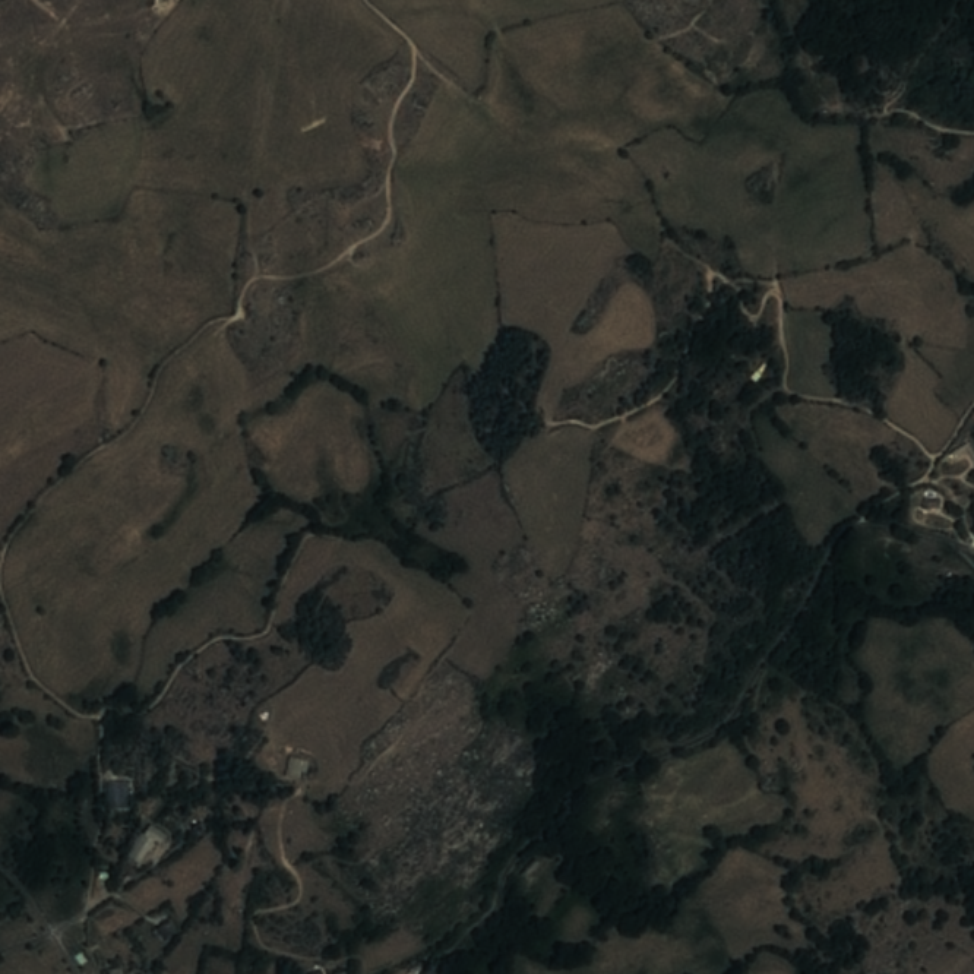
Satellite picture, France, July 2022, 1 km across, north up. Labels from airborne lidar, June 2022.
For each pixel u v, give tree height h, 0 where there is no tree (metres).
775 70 0
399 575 0
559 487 0
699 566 0
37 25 0
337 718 0
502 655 0
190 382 0
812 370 0
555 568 0
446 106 0
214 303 0
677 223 0
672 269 0
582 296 0
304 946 0
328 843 0
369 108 0
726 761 0
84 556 0
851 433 0
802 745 0
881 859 0
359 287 0
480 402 13
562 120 0
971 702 0
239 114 0
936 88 16
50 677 0
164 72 0
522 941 25
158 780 9
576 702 10
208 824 11
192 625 0
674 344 9
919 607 10
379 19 0
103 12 0
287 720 0
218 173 0
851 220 0
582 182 0
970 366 0
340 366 0
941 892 11
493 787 0
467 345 0
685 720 8
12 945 0
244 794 21
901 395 0
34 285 0
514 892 19
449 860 0
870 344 14
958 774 0
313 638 8
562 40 0
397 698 0
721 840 19
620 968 0
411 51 0
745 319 10
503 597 0
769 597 14
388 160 0
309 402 0
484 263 0
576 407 0
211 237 0
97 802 9
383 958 0
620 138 0
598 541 0
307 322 0
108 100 0
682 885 15
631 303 0
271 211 0
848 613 15
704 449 10
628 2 0
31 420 0
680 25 0
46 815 8
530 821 16
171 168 0
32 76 0
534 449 0
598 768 22
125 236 0
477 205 0
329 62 0
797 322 0
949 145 11
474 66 0
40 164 0
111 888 11
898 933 0
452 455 0
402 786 0
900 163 8
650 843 12
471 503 0
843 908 0
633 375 0
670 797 0
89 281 0
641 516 0
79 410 0
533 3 0
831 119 7
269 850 0
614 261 0
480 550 0
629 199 0
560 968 20
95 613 0
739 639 12
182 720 0
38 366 0
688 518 16
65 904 0
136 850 0
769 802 0
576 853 30
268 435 0
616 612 0
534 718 14
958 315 0
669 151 0
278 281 0
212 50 0
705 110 0
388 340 0
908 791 14
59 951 0
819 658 8
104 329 0
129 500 0
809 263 0
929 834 8
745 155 0
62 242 0
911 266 0
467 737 0
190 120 0
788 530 18
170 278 0
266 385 0
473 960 18
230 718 0
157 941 0
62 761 0
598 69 0
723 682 13
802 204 0
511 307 0
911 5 18
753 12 0
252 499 0
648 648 0
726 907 0
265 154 0
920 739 0
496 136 0
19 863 7
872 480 0
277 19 0
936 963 0
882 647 0
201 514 0
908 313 0
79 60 0
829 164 0
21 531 0
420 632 0
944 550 0
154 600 0
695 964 0
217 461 0
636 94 0
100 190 0
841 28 16
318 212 0
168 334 0
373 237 0
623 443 0
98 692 0
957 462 0
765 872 0
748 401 14
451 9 0
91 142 0
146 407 0
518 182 0
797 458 0
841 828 0
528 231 0
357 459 0
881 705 0
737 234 0
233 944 0
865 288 0
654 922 24
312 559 0
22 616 0
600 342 0
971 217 0
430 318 0
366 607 0
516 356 21
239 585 0
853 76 8
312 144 0
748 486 17
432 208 0
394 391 0
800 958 11
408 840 0
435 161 0
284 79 0
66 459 14
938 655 0
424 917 0
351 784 0
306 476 0
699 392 13
